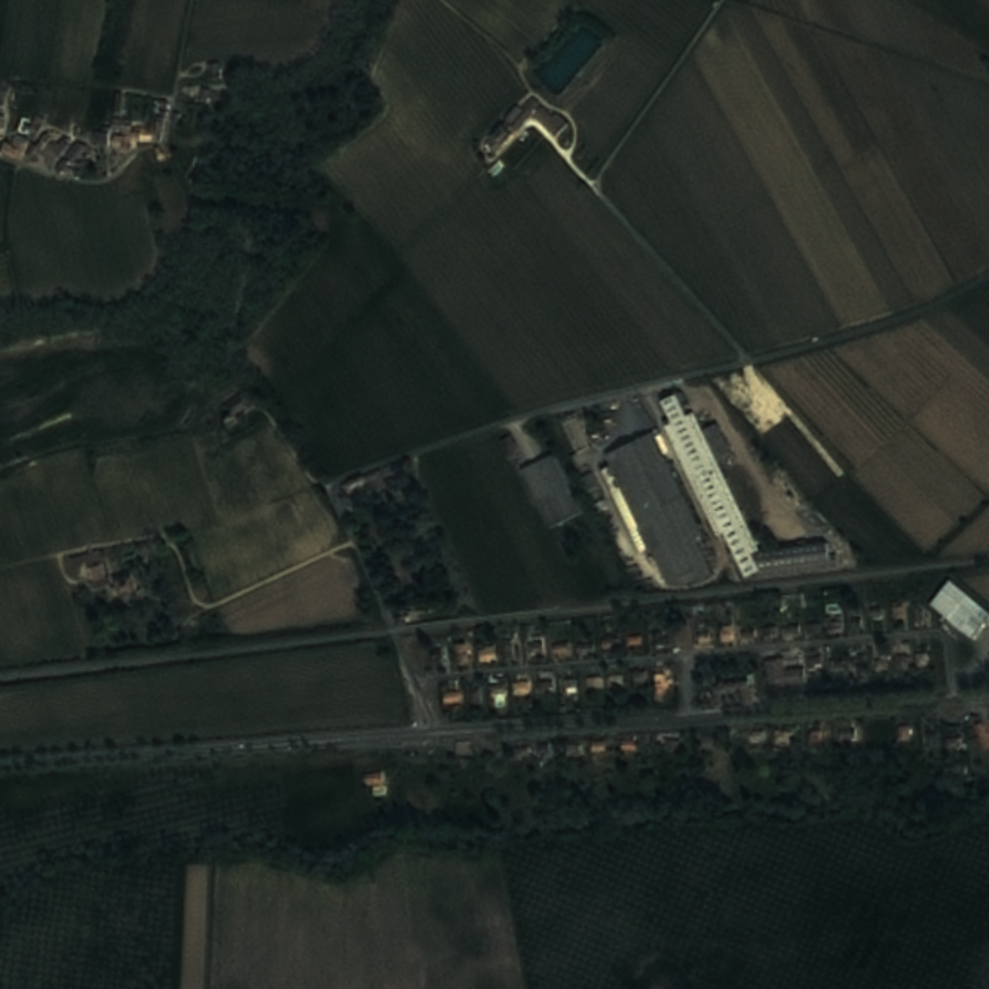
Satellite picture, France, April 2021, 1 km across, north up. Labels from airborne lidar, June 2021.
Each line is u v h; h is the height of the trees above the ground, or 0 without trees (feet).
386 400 0
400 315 0
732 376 0
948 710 0
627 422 0
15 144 0
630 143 0
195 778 60
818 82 0
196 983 0
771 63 0
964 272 0
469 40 0
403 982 0
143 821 79
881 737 0
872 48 0
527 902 64
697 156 0
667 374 0
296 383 0
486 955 0
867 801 69
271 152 57
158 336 52
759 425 0
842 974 59
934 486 0
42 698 0
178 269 70
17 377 0
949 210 0
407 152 0
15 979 85
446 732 0
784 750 22
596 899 62
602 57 0
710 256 0
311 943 0
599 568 0
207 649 0
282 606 0
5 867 98
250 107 77
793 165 0
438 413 0
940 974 58
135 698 0
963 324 0
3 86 0
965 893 52
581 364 0
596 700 31
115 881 71
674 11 0
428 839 71
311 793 0
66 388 0
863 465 0
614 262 0
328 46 66
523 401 0
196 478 0
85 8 0
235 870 0
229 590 0
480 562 0
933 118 0
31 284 0
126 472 0
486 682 37
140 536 0
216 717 0
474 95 0
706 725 0
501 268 0
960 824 73
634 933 69
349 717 0
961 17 0
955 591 0
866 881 58
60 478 0
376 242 0
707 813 54
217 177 57
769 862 60
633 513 0
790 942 56
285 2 0
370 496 30
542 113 0
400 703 0
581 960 65
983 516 0
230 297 62
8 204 0
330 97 60
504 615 0
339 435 0
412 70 0
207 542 0
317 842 0
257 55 0
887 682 41
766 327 0
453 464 0
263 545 0
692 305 0
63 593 0
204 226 67
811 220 0
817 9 0
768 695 0
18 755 40
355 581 0
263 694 0
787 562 0
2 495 0
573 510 0
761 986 57
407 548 67
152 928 85
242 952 0
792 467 0
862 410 0
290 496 0
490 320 0
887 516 0
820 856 61
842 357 0
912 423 0
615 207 0
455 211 0
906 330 0
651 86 0
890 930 40
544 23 0
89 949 77
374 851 63
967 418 0
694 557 0
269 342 0
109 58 19
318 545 0
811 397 0
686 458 0
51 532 0
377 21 24
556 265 0
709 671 50
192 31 0
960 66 0
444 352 0
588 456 0
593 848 73
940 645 0
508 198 0
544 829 63
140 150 0
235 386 76
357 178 0
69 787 0
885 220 0
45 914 87
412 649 0
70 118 0
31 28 0
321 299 0
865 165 0
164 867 81
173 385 41
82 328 78
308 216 27
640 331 0
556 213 0
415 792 0
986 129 0
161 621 58
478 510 0
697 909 71
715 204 0
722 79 0
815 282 0
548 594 0
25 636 0
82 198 0
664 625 20
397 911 0
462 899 0
